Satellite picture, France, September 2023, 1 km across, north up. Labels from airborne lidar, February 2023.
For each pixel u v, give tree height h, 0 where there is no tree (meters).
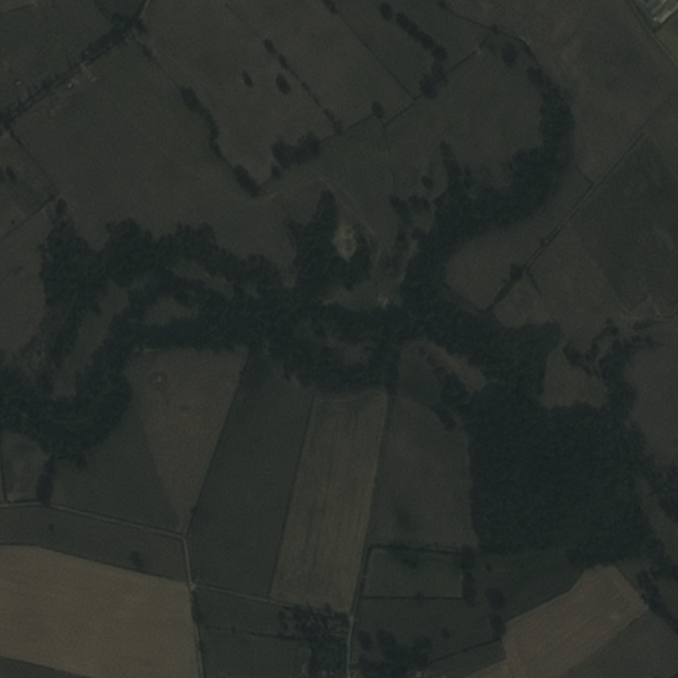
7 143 0
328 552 0
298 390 0
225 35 0
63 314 9
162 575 0
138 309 27
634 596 0
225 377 0
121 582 0
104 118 0
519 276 10
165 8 0
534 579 0
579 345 0
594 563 7
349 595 0
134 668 0
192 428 0
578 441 20
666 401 0
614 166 0
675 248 0
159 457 0
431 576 0
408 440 0
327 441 0
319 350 0
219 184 0
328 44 0
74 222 0
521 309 0
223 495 0
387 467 0
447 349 16
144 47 0
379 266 0
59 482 0
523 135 0
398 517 0
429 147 0
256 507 0
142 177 0
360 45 0
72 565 0
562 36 0
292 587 0
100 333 0
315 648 7
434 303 8
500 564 0
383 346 7
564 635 0
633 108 0
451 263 0
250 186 16
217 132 6
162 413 0
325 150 0
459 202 16
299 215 0
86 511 0
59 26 0
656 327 0
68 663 0
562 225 0
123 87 0
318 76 0
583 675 0
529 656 0
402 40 0
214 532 0
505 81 0
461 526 0
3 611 0
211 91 0
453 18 0
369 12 0
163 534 0
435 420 0
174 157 0
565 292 0
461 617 0
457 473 0
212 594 0
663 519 0
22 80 0
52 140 0
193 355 0
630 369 0
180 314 0
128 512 0
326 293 0
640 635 0
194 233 11
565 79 0
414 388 0
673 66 0
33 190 0
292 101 0
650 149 0
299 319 17
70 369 0
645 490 0
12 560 0
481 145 0
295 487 0
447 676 0
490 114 0
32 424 7
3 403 17
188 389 0
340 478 0
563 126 18
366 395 0
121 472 0
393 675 19
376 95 0
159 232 0
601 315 0
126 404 10
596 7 0
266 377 0
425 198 0
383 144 0
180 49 0
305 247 11
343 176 0
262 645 0
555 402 0
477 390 0
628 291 0
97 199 0
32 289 0
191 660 0
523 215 10
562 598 0
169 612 0
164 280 22
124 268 20
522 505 21
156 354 0
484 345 19
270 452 0
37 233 0
